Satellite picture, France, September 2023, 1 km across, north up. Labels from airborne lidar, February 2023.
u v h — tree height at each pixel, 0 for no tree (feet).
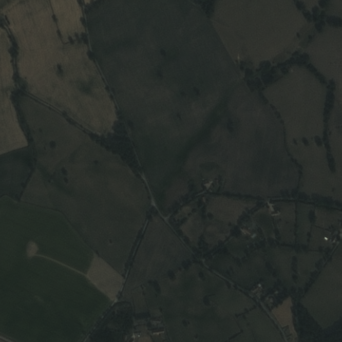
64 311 0
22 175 0
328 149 54
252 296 0
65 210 0
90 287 0
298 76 0
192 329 0
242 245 0
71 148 0
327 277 0
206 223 0
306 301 0
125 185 0
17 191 0
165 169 0
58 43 0
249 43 0
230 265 0
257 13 0
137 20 0
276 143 0
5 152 0
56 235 0
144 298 0
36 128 0
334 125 0
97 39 0
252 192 0
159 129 0
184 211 0
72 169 0
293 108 0
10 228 0
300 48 0
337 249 0
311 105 0
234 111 0
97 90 0
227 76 0
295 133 0
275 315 0
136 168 42
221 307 0
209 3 45
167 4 0
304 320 71
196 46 0
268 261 0
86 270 0
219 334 0
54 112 0
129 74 0
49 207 0
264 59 0
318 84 0
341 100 0
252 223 0
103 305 0
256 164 0
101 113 0
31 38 0
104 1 49
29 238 0
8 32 0
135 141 0
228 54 0
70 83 0
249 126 0
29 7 0
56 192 0
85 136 0
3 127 0
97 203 0
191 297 0
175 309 0
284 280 0
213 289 0
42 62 0
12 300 0
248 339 0
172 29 0
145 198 0
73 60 0
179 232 42
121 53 0
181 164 0
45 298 0
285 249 0
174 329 0
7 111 0
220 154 0
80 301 0
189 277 0
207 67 0
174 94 0
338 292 0
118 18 0
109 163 0
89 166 0
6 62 0
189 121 0
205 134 0
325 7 0
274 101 0
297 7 39
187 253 0
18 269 0
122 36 0
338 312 0
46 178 0
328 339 63
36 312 0
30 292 0
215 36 0
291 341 0
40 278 0
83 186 0
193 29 0
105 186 0
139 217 0
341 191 0
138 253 0
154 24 0
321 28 44
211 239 0
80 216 0
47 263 0
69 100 0
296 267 44
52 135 0
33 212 0
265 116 0
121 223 0
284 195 52
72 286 0
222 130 0
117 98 0
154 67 0
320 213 0
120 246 0
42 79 0
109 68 0
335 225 0
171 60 0
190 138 0
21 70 0
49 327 0
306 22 0
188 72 0
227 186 0
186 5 0
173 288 0
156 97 0
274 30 0
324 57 0
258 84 37
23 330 0
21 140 0
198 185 0
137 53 0
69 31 0
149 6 0
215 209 0
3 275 0
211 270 46
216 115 0
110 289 0
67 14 0
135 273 0
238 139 0
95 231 0
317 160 0
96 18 0
